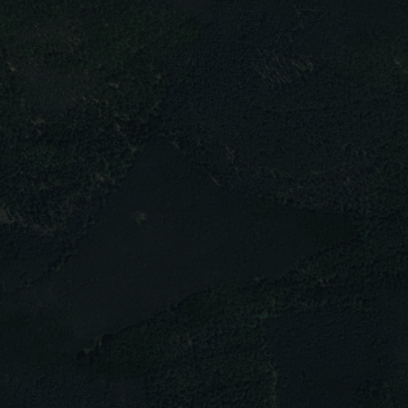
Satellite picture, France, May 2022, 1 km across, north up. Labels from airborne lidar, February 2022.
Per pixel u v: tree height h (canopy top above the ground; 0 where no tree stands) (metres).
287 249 21
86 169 32
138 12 25
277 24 21
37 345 20
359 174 8
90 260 17
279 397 7
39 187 24
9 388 22
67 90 20
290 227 20
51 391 23
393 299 22
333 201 7
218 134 24
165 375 32
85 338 19
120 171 26
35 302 18
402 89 27
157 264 19
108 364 30
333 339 12
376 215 20
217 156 27
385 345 19
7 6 22
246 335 25
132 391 26
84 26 21
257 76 25
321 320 13
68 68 23
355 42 27
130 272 20
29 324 20
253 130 27
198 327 26
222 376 30
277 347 13
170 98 23
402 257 27
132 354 26
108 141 26
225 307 24
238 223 17
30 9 20
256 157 24
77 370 23
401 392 19
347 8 24
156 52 23
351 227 24
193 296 25
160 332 28
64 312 17
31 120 32
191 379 28
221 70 27
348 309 13
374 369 14
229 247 18
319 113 27
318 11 24
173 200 17
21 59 25
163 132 28
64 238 9
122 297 18
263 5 22
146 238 21
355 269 28
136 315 20
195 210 19
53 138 25
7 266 13
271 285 28
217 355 30
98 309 19
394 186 29
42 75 23
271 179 25
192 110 24
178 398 27
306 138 26
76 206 10
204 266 21
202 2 20
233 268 22
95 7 21
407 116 22
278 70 22
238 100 19
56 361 24
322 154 23
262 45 20
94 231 18
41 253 11
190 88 29
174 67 30
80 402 25
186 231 16
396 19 23
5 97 26
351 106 24
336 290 30
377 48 21
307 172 25
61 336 19
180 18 23
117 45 24
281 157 22
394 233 26
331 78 29
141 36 22
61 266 17
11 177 21
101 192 9
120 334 26
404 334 21
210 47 25
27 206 24
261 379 29
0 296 17
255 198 21
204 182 19
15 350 17
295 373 12
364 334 13
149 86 26
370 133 22
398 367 21
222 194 19
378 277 29
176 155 20
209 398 30
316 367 11
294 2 21
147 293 21
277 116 26
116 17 23
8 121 18
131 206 21
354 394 14
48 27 19
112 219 21
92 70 22
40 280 17
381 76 22
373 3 22
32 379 22
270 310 24
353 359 11
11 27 21
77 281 16
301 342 14
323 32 25
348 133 22
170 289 23
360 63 26
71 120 29
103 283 16
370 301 21
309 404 12
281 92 21
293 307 16
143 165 21
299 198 9
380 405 17
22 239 11
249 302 26
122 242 22
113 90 24
